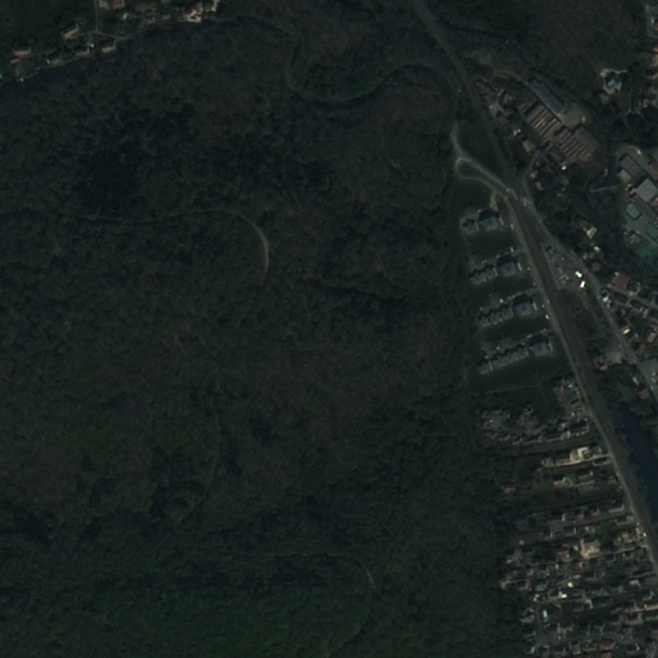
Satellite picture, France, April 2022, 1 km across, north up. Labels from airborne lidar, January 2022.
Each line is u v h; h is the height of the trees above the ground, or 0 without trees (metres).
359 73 22
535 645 0
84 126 23
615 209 20
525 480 6
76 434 20
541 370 0
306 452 17
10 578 21
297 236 26
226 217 17
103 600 21
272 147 7
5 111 25
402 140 24
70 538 28
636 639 0
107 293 29
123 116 19
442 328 23
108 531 27
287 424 21
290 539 20
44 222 28
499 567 13
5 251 27
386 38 27
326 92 23
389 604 22
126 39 0
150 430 20
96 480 17
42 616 23
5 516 21
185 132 11
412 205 20
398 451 24
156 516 22
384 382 23
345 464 22
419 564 22
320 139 25
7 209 9
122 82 22
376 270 28
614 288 0
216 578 20
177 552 20
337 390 22
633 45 22
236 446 26
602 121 11
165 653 24
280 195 23
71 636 20
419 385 23
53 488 25
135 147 18
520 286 0
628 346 0
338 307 26
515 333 0
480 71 14
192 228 13
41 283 26
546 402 0
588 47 28
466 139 0
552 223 12
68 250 30
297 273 27
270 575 17
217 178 9
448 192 11
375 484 12
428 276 18
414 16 15
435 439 26
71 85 23
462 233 0
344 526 15
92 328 23
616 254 20
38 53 0
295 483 20
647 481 0
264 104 26
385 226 25
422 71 19
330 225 20
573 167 6
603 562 0
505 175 0
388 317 26
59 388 19
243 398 23
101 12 0
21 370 24
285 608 18
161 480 10
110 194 15
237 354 18
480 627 20
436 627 17
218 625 20
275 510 19
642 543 0
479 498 12
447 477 19
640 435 0
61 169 23
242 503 22
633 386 10
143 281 31
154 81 24
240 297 20
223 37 21
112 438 20
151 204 17
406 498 18
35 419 21
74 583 17
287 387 24
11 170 24
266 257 0
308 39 22
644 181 0
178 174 9
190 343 31
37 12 0
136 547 28
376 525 16
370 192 29
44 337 26
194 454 18
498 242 0
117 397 20
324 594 19
